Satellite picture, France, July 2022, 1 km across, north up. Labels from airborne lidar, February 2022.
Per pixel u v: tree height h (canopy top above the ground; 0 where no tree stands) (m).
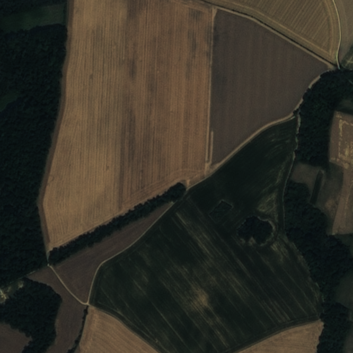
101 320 0
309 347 0
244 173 0
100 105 0
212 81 0
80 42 0
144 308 0
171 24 0
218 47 0
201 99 0
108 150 0
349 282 0
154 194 0
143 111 0
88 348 0
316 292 0
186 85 0
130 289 0
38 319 24
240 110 0
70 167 0
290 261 0
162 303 0
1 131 15
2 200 18
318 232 26
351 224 0
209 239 0
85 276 0
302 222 10
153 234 0
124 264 0
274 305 0
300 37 0
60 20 0
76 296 0
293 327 0
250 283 0
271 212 0
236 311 0
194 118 0
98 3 0
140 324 0
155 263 0
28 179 17
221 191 0
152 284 0
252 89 0
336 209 0
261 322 0
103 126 0
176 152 0
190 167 0
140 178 0
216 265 0
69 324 0
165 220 0
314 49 0
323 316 16
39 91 20
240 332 0
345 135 0
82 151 0
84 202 0
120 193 0
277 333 0
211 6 0
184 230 0
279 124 0
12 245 24
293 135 0
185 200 0
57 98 18
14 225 19
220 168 0
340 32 0
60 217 0
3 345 0
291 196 6
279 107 0
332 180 0
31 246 12
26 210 23
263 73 0
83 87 0
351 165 0
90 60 0
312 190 0
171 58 0
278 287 0
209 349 0
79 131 0
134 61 0
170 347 0
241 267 0
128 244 0
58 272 0
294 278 0
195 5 0
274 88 0
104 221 0
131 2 0
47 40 18
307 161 14
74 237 0
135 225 0
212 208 0
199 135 0
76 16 0
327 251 25
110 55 0
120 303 0
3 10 18
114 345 0
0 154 17
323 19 0
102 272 0
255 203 0
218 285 0
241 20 0
